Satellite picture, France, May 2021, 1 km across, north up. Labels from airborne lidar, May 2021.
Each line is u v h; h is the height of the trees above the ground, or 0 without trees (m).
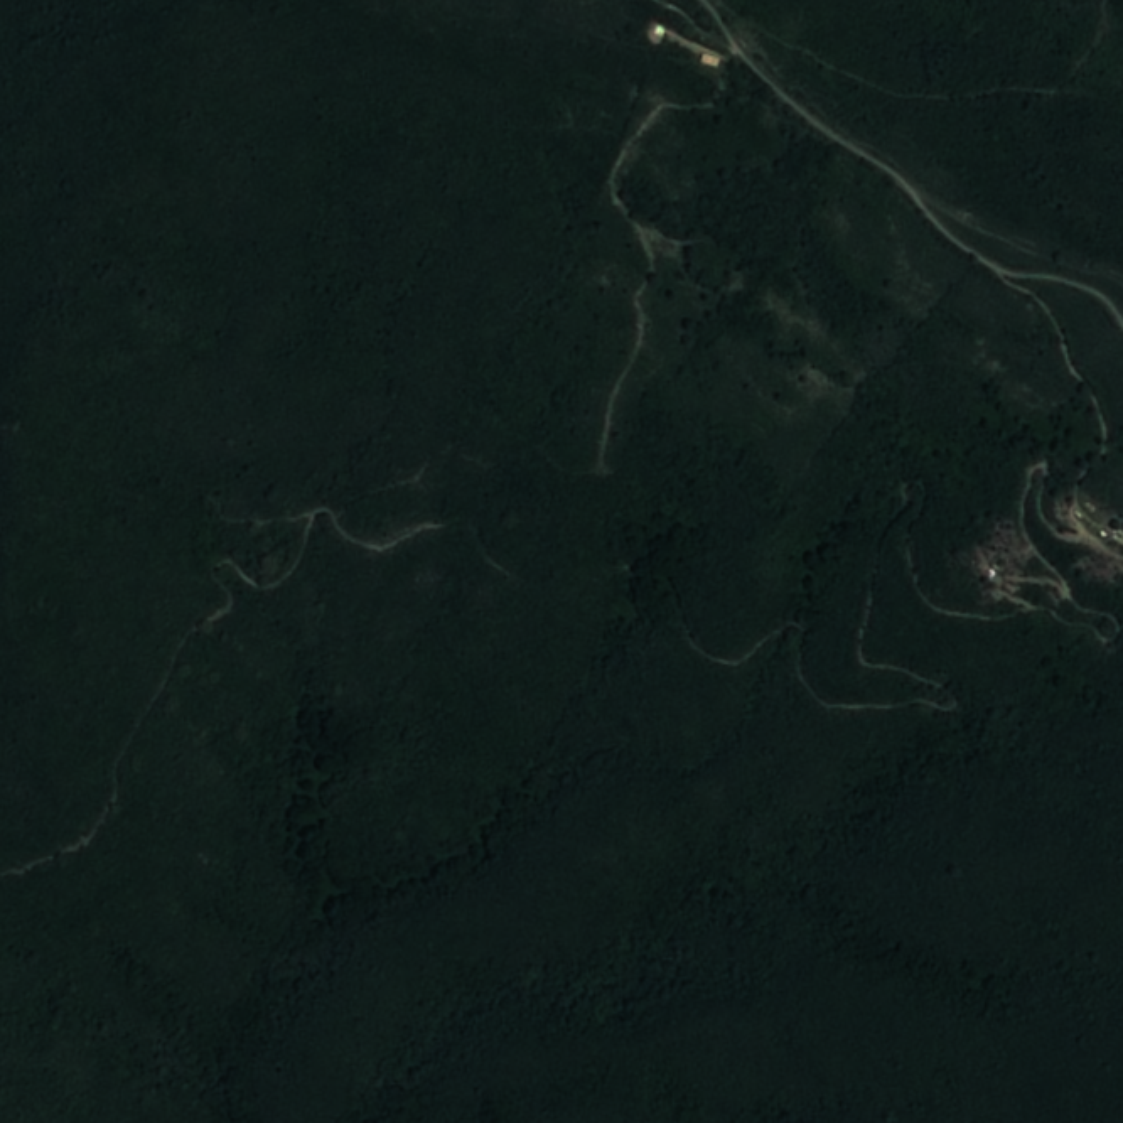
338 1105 6
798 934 6
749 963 7
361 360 6
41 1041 8
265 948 7
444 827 7
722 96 7
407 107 7
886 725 7
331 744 19
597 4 0
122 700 6
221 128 6
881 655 6
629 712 5
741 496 6
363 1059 5
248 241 5
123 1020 7
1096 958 14
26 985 7
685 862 7
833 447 6
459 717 6
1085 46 6
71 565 7
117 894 7
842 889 6
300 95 6
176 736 6
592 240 6
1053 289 0
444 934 7
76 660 6
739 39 0
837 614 6
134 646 7
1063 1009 6
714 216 7
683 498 8
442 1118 6
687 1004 8
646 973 7
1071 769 6
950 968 9
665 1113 10
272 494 14
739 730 9
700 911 18
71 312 8
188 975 6
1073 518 0
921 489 8
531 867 7
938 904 5
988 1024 6
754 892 8
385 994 6
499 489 6
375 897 19
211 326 6
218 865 6
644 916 14
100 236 6
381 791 6
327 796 11
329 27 6
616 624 11
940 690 7
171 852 6
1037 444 13
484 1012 14
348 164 6
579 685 7
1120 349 0
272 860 7
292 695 7
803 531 6
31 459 5
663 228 9
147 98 6
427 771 5
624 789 5
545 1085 6
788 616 7
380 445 7
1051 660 13
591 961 11
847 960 7
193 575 6
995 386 9
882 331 8
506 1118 8
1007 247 0
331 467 6
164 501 6
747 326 8
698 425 6
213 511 7
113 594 6
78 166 6
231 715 6
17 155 7
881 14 5
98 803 6
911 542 7
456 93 6
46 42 7
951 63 6
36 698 11
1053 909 7
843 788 9
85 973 6
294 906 9
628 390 0
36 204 7
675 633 8
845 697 6
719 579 6
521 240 5
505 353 6
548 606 6
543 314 9
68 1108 11
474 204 5
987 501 7
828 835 18
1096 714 8
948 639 6
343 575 6
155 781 6
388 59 5
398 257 6
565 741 6
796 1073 6
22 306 6
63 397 6
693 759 6
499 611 7
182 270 6
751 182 8
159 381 6
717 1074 6
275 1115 6
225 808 6
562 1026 9
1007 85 8
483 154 7
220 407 6
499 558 6
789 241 8
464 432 7
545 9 0
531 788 16
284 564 6
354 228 7
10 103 8
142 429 6
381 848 7
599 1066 11
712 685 5
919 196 0
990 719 11
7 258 6
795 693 8
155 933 6
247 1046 12
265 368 5
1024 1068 6
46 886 6
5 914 7
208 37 6
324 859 11
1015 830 6
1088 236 6
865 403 7
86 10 7
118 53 5
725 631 6
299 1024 5
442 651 7
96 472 6
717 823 6
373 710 8
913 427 10
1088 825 9
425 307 6
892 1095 6
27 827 5
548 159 6
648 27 0
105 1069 6
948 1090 6
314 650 11
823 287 8
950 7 5
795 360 11
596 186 6
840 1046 6
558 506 5
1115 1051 6
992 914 6
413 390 6
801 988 6
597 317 10
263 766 8
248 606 6
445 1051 13
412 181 6
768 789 6
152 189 5
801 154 7
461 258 7
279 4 6
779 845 8
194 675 6
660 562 20
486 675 7
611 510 6
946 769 11
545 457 8
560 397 10
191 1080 8
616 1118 6
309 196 6
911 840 5
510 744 7
